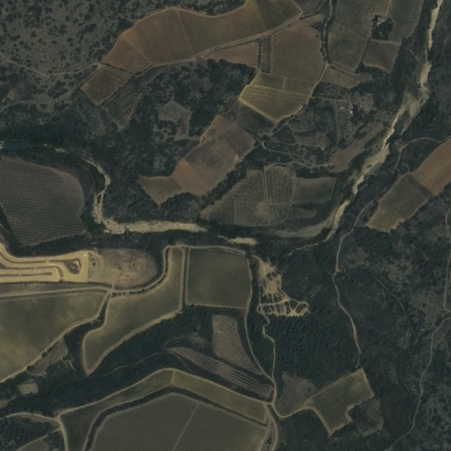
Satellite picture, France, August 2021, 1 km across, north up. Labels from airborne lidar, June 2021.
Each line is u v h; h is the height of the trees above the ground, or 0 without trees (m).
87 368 0
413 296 0
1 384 9
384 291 0
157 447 0
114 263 0
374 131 0
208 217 0
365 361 9
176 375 0
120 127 0
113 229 0
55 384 7
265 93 0
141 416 0
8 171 0
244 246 6
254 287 10
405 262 0
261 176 0
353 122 9
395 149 0
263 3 0
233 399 0
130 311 0
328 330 7
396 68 6
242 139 0
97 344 0
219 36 0
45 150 7
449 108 0
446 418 0
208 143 0
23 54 0
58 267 0
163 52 0
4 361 0
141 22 0
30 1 0
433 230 0
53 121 9
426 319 0
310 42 0
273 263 11
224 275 0
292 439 0
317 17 0
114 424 0
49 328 0
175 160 0
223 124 0
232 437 0
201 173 0
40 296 0
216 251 0
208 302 0
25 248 8
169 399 0
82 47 0
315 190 0
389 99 0
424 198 0
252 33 0
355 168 7
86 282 0
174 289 0
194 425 0
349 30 0
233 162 0
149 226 0
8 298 0
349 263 0
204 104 7
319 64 0
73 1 0
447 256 0
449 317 0
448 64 0
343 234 0
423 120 6
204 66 0
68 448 0
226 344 0
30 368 12
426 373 0
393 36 0
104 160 6
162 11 0
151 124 0
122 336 0
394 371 0
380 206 0
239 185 0
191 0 0
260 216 0
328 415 0
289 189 0
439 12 0
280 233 0
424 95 0
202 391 0
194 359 0
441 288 0
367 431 0
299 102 0
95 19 0
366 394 0
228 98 0
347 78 0
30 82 0
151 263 0
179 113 0
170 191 0
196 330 8
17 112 7
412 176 0
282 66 0
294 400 0
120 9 9
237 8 0
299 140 0
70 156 9
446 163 0
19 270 0
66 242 6
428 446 0
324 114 0
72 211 0
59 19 0
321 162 0
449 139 0
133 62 0
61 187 0
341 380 0
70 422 0
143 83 0
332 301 0
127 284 0
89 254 0
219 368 0
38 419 0
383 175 0
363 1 0
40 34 0
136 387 0
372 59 0
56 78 0
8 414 7
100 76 0
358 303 0
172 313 0
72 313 0
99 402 0
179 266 0
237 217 0
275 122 0
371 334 9
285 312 0
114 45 0
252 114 0
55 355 0
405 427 6
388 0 0
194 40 0
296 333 11
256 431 0
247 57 0
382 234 13
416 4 0
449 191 0
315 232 0
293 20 0
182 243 0
